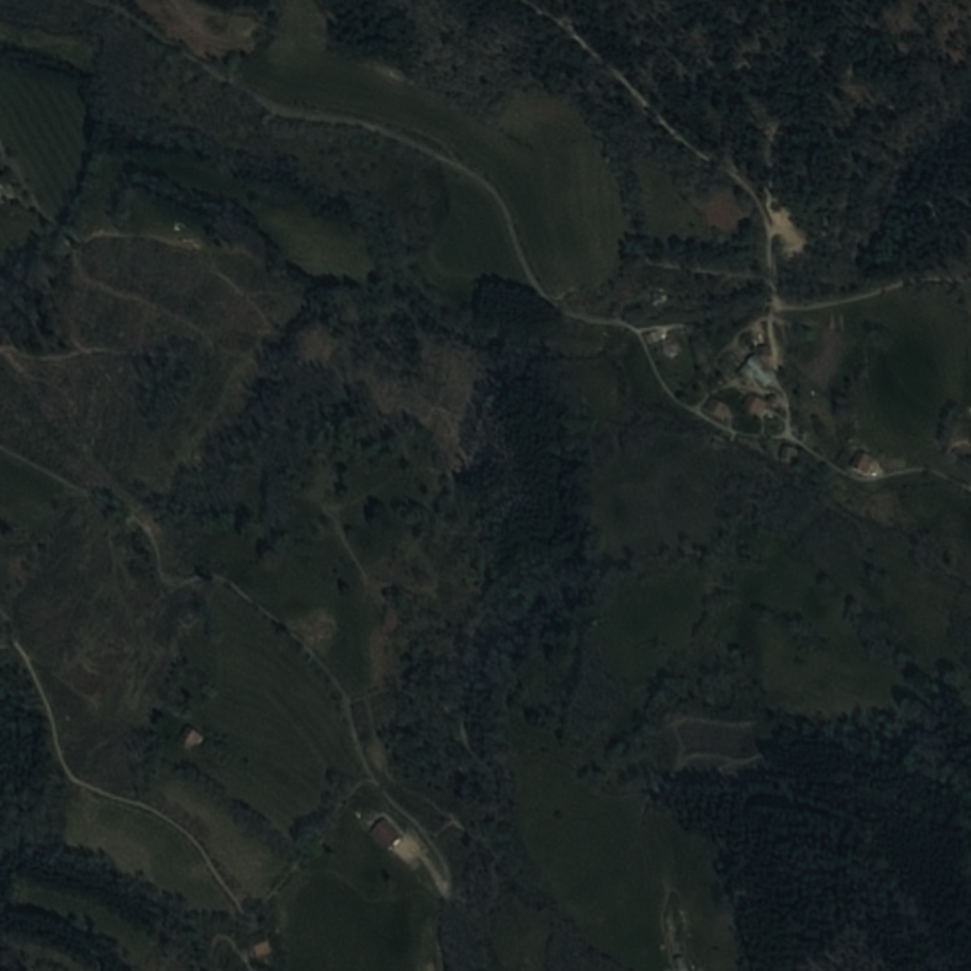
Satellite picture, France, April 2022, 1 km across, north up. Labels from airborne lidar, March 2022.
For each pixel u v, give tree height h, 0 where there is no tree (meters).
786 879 20
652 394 0
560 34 21
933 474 14
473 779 11
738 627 0
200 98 6
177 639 0
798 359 14
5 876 14
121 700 0
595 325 0
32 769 17
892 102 30
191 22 0
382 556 0
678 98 28
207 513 20
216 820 0
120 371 0
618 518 0
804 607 0
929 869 20
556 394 23
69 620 0
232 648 0
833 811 21
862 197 21
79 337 0
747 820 23
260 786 0
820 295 15
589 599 26
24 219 0
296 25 0
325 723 0
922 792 26
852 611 11
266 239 24
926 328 0
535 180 0
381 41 18
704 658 0
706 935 0
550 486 30
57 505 0
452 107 11
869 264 17
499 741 24
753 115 32
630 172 13
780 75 27
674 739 0
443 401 0
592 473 15
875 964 24
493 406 34
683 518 0
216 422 0
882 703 0
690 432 10
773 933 21
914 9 34
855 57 33
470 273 0
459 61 9
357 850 0
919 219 27
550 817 0
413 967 0
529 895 7
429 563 0
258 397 30
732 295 7
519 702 7
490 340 25
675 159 23
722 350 0
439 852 0
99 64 20
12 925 22
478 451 31
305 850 22
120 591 0
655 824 0
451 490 18
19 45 0
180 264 0
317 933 0
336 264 0
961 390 0
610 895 0
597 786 13
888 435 0
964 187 28
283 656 0
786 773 20
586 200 0
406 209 0
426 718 24
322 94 0
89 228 23
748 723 0
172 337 0
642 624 0
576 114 0
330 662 0
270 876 0
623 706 13
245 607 6
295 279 17
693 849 0
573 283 0
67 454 0
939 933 19
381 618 0
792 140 18
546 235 0
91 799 0
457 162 0
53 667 0
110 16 16
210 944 6
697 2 24
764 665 0
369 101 0
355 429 24
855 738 8
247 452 21
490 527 18
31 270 21
